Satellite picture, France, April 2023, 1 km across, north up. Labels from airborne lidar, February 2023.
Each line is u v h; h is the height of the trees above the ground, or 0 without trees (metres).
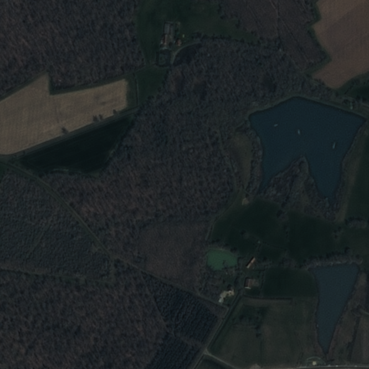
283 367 0
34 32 25
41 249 8
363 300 0
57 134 0
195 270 17
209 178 22
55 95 0
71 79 23
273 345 0
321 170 0
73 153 0
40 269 13
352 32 0
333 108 0
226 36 0
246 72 24
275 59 24
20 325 23
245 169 0
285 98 14
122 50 22
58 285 22
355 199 0
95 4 21
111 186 22
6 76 26
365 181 0
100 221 19
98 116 0
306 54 17
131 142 18
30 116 0
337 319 0
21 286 24
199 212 18
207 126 20
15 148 0
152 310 22
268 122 0
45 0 19
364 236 0
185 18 0
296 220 0
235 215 0
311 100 0
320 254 0
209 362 0
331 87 0
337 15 0
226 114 20
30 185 8
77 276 18
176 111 25
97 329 26
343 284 0
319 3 0
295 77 20
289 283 0
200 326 16
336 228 0
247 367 0
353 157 0
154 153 23
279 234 0
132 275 20
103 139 0
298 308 0
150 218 22
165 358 17
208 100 25
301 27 16
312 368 0
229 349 0
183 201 19
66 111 0
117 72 24
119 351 23
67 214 12
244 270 0
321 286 0
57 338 18
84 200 22
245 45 18
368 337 0
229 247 11
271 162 0
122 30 23
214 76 25
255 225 0
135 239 22
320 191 0
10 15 25
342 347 0
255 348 0
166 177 23
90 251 6
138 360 21
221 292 9
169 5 0
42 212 6
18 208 8
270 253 0
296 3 16
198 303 17
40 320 21
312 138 0
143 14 0
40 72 21
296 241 0
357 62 0
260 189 0
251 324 8
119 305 21
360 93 0
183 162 19
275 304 0
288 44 16
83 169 0
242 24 15
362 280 0
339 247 0
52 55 21
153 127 22
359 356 0
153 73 0
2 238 6
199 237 16
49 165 0
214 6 0
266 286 0
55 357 16
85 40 21
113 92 0
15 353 25
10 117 0
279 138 0
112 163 18
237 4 15
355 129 0
